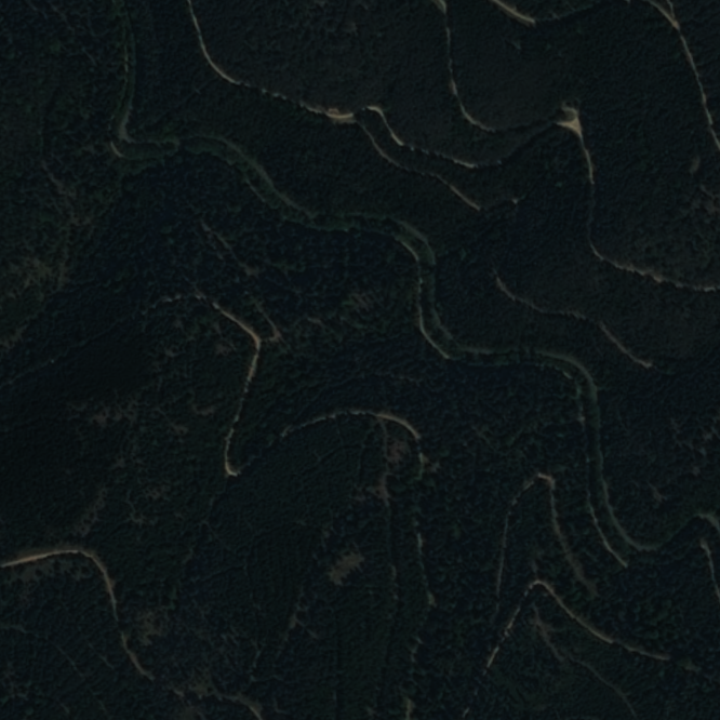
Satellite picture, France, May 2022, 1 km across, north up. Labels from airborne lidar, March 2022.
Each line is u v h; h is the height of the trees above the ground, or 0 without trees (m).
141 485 6
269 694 20
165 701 23
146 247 10
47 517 7
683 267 12
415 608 16
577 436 31
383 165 21
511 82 19
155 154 24
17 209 26
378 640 16
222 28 17
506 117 18
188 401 10
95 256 9
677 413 23
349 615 15
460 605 35
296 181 25
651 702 8
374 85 18
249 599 11
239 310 8
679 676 9
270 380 11
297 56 7
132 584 12
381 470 9
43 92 22
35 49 23
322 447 11
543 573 14
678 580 19
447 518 36
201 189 34
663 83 17
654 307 20
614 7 25
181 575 14
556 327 25
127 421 11
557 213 24
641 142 15
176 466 12
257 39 12
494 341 18
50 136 24
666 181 16
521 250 20
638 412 20
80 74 28
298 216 21
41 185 16
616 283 15
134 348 13
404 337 38
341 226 22
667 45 17
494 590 14
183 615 28
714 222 18
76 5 34
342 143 25
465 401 33
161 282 33
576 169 21
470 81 15
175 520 12
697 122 12
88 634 21
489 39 18
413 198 21
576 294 20
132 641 18
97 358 13
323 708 14
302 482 8
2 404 10
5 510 7
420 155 21
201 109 22
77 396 13
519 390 33
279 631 9
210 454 13
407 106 18
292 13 14
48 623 16
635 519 21
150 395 9
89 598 18
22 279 7
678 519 21
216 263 27
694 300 18
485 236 28
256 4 14
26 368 12
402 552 18
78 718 22
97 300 10
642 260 13
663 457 17
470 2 17
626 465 19
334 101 16
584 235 23
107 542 12
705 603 18
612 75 19
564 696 8
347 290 23
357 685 14
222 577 18
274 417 17
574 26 21
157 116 16
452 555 37
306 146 17
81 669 21
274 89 19
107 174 13
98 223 9
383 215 17
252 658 15
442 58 17
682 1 16
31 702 16
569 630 26
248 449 10
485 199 18
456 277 20
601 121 20
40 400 13
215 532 13
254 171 15
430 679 9
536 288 19
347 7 17
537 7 17
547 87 22
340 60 12
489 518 11
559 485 18
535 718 7
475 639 7
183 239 28
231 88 16
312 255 31
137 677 9
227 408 7
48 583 12
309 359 14
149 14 20
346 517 10
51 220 36
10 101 21
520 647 29
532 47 21
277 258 34
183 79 16
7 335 13
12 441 11
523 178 22
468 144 8
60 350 13
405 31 16
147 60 21
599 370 24
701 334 21
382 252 19
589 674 11
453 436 25
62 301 14
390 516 13
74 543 15
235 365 12
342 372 9
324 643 23
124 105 8
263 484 10
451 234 21
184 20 20
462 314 25
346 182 17
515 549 9
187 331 11
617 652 8
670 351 17
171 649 29
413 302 12
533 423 13
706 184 13
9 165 24
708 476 15
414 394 11
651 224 13
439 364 13
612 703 11
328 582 21
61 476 8
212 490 16
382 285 24
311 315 33
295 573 10
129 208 7
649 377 28
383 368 38
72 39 32
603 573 10
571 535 39
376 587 18
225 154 22
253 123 21
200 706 27
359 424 10
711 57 16
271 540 8
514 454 34
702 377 27
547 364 6
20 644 13
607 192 17
